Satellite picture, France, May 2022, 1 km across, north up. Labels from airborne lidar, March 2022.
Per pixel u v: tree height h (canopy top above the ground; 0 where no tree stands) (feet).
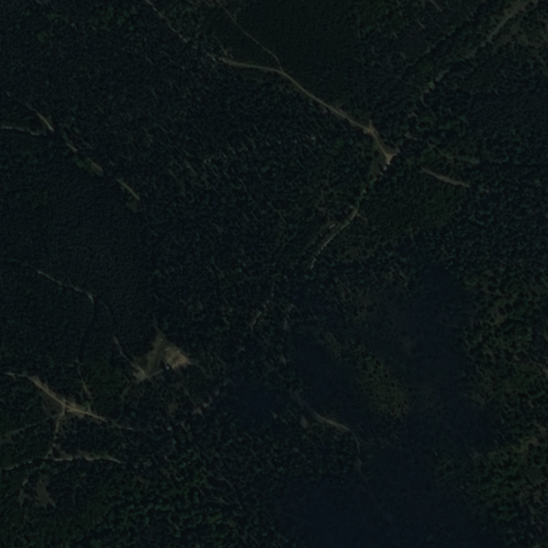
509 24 23
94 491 61
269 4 32
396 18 36
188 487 20
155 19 74
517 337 85
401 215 29
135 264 66
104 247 51
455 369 0
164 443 146
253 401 95
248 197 86
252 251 95
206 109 83
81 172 81
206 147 85
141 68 76
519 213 109
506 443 92
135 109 82
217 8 30
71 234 53
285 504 24
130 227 70
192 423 108
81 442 54
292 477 109
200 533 93
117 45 73
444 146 74
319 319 76
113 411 34
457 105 55
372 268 48
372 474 34
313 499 25
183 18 82
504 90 92
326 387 70
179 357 0
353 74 43
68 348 68
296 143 80
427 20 70
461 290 52
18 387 36
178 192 79
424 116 48
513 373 81
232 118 89
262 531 88
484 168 57
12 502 27
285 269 27
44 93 87
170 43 74
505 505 31
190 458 105
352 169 47
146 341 77
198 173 91
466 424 82
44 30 69
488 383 21
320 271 73
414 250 84
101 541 92
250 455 99
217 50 73
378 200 21
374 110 23
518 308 60
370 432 85
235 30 29
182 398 37
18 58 90
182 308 25
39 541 22
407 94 64
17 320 68
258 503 95
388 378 27
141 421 148
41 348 70
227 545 87
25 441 28
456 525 0
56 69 77
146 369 0
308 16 34
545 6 39
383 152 0
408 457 53
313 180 31
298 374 68
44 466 58
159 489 109
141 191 88
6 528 31
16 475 28
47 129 0
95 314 71
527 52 44
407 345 0
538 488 35
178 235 72
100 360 57
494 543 96
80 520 32
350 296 26
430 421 31
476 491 19
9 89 85
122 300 49
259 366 88
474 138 80
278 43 37
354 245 33
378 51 57
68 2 74
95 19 68
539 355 89
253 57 20
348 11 31
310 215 85
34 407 41
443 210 18
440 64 32
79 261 54
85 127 77
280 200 39
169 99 82
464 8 60
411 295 26
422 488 33
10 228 60
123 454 33
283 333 75
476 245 97
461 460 25
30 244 56
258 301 92
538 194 81
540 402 76
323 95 31
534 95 75
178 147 87
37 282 60
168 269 78
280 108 84
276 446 79
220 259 80
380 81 53
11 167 56
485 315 38
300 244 28
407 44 63
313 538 89
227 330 29
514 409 84
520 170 79
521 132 80
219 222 94
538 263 84
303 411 91
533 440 0
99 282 51
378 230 18
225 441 59
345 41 33
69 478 42
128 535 58
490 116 81
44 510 35
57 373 62
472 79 42
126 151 88
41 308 66
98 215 80
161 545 100
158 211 78
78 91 66
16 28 73
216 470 89
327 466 76
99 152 88
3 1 82
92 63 77
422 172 25
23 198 59
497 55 24
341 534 28
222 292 92
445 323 43
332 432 28
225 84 58
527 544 95
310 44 34
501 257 107
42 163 41
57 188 66
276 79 33
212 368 24
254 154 100
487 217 81
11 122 35
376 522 34
